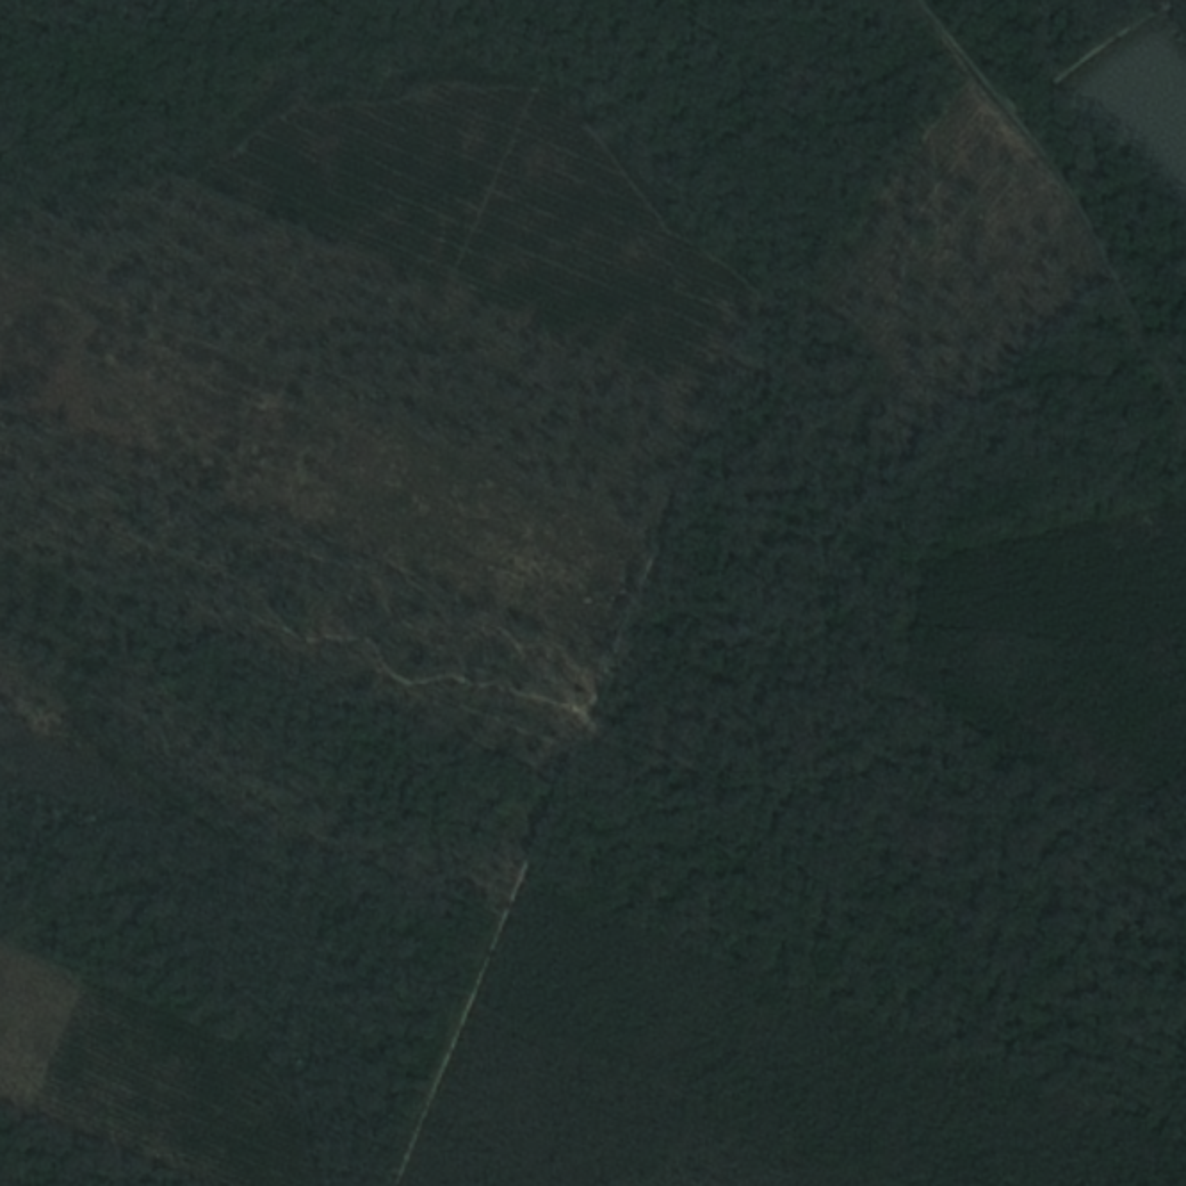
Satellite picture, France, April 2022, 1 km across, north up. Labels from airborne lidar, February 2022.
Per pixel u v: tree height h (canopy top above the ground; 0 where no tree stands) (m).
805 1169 12
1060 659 14
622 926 17
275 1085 7
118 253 29
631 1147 12
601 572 0
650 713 24
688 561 27
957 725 28
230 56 25
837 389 28
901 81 22
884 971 28
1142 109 0
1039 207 0
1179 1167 17
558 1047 13
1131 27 14
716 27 23
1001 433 28
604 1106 12
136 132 26
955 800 30
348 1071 23
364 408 24
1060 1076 24
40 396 0
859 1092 15
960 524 18
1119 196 16
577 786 28
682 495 26
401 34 26
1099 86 0
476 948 25
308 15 22
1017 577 8
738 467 27
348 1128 27
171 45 25
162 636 32
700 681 26
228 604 26
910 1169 15
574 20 24
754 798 26
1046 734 14
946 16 20
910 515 28
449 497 0
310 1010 23
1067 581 7
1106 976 29
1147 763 14
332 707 29
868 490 25
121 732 26
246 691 30
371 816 30
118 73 22
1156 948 16
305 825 14
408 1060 29
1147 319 21
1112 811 28
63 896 31
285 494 0
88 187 28
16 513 26
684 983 17
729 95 29
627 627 26
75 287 0
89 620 30
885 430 29
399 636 26
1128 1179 16
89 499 29
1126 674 13
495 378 27
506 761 23
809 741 27
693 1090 15
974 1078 16
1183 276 28
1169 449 23
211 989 21
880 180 28
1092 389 24
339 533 0
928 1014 29
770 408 16
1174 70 0
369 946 28
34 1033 0
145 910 14
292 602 25
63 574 0
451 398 29
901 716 28
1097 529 7
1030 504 24
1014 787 32
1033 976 26
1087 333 23
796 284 27
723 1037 16
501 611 29
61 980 0
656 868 26
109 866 23
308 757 29
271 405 0
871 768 34
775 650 25
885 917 27
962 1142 15
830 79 24
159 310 0
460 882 27
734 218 29
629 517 22
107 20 23
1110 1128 18
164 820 8
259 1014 26
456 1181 18
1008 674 18
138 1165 28
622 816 32
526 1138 10
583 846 32
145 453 0
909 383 0
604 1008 16
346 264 0
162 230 27
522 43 28
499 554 0
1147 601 8
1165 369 27
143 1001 26
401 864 28
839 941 22
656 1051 16
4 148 29
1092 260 0
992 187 0
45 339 0
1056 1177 17
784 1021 13
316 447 0
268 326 0
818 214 31
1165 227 22
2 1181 25
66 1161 16
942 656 15
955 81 25
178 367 0
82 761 21
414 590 27
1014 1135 16
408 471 0
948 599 11
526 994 14
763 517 26
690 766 30
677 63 18
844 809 30
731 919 27
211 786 27
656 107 27
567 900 11
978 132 0
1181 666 14
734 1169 19
